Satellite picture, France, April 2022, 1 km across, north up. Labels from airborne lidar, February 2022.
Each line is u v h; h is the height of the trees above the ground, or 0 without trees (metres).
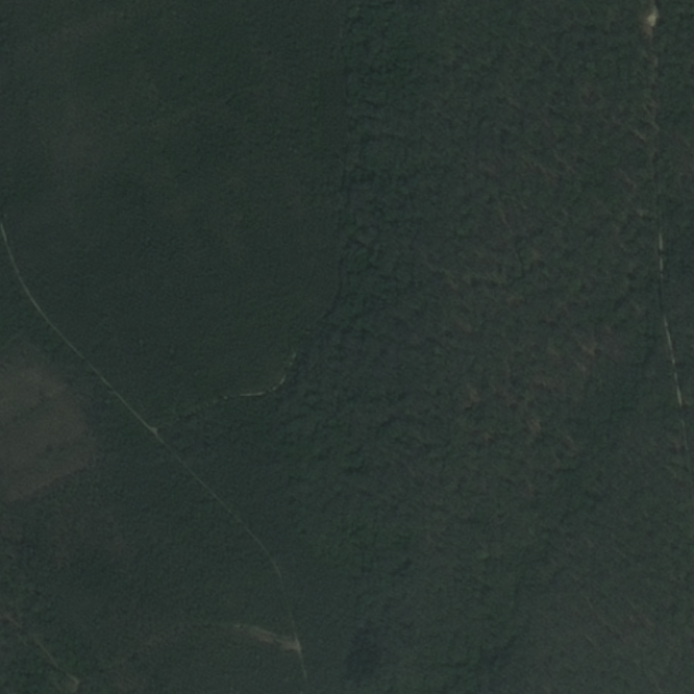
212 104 15
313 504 24
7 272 16
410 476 27
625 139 26
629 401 21
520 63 29
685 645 28
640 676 28
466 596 28
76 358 19
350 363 28
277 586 11
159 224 16
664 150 25
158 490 14
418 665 20
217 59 17
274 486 18
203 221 17
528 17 31
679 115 23
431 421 23
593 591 26
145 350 17
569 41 26
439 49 26
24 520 18
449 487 28
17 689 27
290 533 16
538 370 20
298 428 28
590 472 26
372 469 27
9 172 11
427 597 26
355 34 21
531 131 28
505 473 21
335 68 10
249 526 9
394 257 28
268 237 17
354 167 19
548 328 25
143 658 14
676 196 26
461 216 28
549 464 30
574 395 25
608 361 28
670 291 25
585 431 30
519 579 31
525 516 27
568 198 31
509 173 30
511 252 30
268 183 16
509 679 31
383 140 31
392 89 25
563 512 21
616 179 28
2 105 12
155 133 15
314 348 24
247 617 11
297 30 17
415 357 28
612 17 18
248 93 16
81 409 0
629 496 27
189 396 12
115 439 19
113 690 23
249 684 18
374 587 22
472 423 22
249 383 14
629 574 27
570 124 30
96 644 19
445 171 26
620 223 26
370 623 22
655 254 13
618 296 27
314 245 18
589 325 25
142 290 19
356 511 28
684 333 25
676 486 28
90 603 20
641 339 24
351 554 23
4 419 0
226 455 16
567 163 28
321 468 29
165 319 16
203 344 16
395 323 29
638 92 28
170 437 16
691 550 24
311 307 15
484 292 29
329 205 18
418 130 28
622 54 26
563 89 29
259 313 14
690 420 28
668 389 28
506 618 25
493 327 29
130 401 11
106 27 15
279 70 17
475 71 26
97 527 13
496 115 30
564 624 27
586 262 33
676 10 29
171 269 19
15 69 14
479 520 16
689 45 28
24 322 20
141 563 16
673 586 26
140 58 14
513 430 23
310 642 20
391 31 20
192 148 15
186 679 14
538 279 28
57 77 16
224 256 19
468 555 28
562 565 26
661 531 26
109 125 16
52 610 12
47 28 9
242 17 19
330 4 18
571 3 32
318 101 15
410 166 31
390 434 25
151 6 16
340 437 25
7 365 0
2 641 28
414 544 27
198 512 16
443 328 28
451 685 23
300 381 19
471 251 27
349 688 29
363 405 27
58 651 25
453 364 27
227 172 17
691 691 26
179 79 18
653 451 26
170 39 19
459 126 31
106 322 17
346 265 16
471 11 26
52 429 0
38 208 13
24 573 22
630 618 27
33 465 0
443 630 26
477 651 30
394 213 25
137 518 15
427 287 25
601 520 27
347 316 28
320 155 15
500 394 15
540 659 24
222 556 13
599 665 28
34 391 0
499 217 28
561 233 29
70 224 14
